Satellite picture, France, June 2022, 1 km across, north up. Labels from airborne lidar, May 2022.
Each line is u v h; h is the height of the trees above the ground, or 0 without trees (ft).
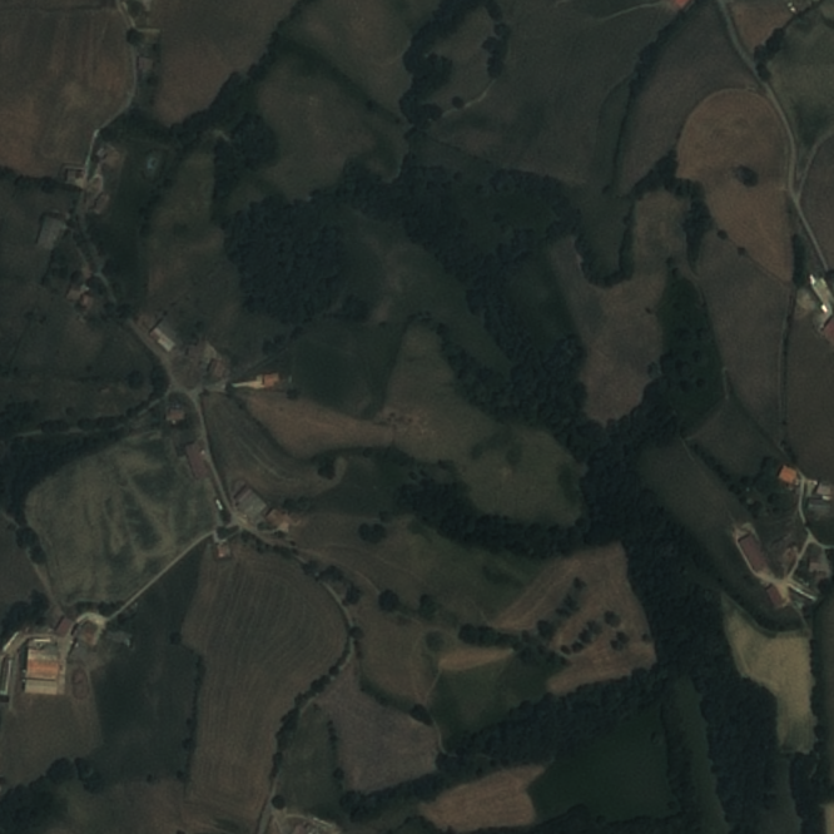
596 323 0
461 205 0
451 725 0
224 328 0
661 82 0
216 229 0
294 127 0
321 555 0
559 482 0
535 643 45
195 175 0
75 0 0
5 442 70
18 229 0
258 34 0
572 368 62
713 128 0
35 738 0
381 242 0
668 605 69
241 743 0
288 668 0
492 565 0
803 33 0
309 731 0
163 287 0
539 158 0
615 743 0
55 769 50
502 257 56
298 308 50
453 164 0
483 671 0
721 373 0
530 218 0
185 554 0
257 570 0
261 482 0
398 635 0
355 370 0
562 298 0
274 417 0
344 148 0
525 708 28
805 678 0
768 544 0
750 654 0
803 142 0
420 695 0
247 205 0
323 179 0
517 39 0
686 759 52
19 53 0
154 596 0
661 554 80
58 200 0
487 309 106
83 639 0
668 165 44
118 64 0
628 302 0
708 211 37
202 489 0
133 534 0
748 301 0
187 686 0
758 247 0
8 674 0
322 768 0
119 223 0
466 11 63
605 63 0
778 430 0
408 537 0
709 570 24
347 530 0
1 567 0
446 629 0
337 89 0
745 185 51
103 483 0
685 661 57
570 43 0
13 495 40
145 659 0
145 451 0
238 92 52
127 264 0
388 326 31
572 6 0
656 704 41
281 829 0
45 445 19
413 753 0
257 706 0
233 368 0
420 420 0
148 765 0
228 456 0
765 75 43
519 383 76
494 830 28
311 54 0
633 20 0
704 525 0
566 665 73
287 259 77
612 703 55
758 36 0
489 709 0
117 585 0
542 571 0
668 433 48
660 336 0
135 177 0
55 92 0
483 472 0
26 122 0
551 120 0
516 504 0
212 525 0
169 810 0
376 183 41
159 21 0
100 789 64
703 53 0
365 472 0
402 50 0
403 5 0
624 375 0
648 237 0
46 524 0
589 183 0
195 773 0
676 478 0
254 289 76
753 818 70
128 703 0
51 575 0
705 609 73
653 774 0
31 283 0
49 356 0
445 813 0
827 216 0
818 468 0
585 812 35
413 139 35
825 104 0
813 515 0
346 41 0
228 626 0
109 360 0
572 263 0
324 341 0
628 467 77
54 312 0
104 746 0
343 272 65
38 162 0
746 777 80
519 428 0
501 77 29
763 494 52
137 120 60
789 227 0
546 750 56
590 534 54
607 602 0
